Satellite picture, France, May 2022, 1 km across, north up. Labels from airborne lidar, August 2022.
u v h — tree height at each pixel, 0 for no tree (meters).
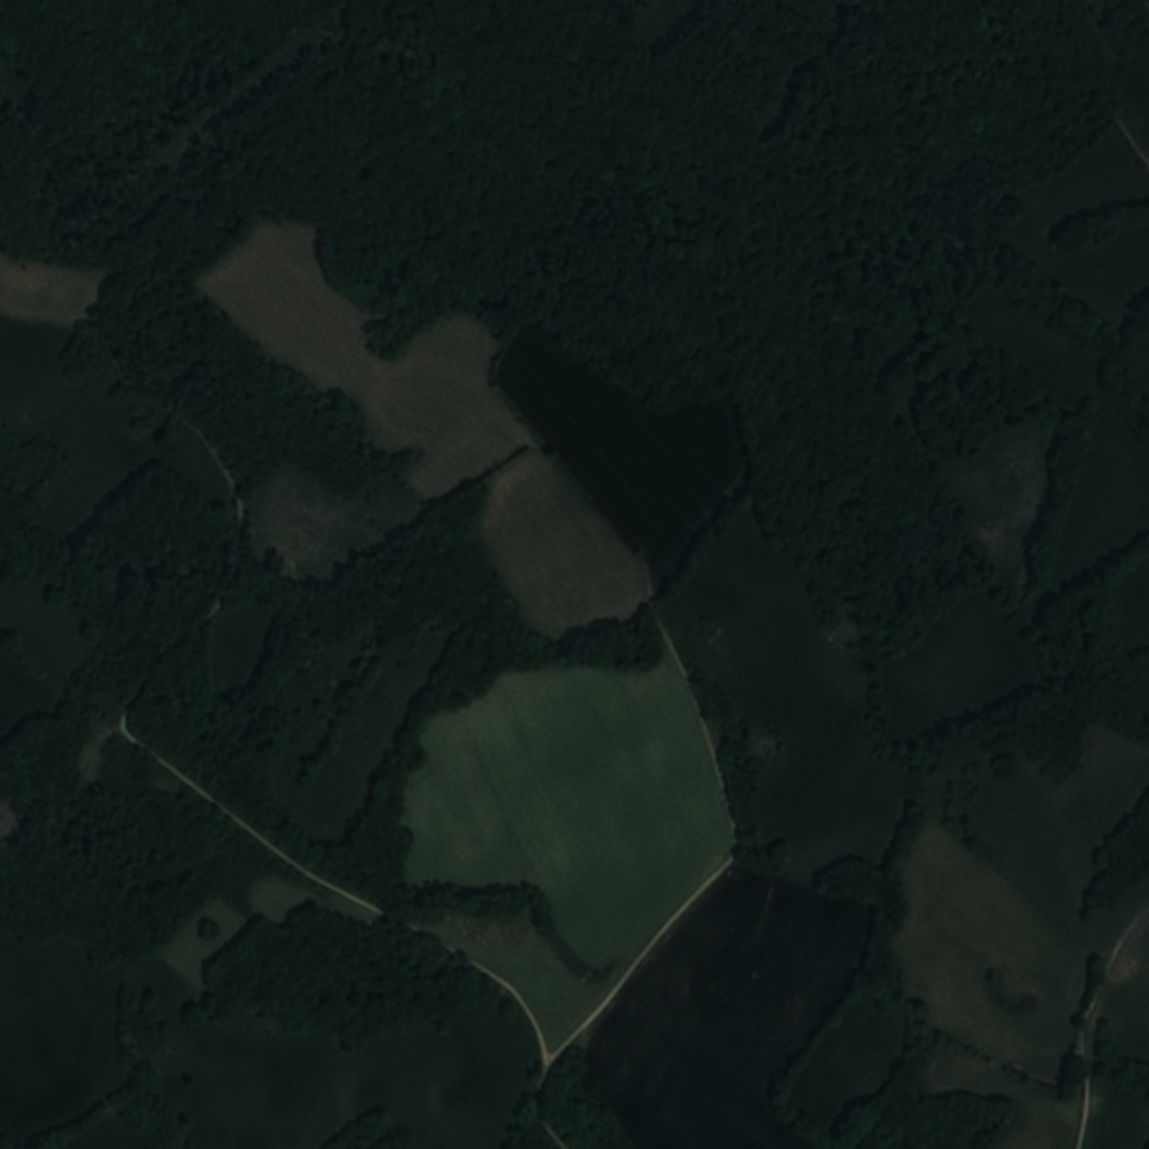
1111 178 0
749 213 23
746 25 20
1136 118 0
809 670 0
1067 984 0
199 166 16
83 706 9
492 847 0
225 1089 0
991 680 0
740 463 0
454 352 0
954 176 18
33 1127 0
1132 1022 0
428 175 21
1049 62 23
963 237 19
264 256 0
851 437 23
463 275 24
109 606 20
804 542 26
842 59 18
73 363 11
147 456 0
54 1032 0
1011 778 12
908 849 14
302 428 14
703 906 0
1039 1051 0
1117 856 14
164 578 21
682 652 6
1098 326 17
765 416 25
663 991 0
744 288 24
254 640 0
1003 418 6
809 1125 22
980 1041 0
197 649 18
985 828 0
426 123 26
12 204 20
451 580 14
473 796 0
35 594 0
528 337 0
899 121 21
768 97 21
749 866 14
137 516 21
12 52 18
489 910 20
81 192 7
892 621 23
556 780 0
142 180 22
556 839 0
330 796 0
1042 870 0
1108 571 24
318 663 8
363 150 19
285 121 19
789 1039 0
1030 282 21
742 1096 0
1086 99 17
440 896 18
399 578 20
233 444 13
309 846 17
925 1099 10
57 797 10
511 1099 0
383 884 21
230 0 18
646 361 26
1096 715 10
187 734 17
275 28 17
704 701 14
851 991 19
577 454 0
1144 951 0
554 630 0
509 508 0
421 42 23
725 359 23
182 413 12
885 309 22
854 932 0
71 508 0
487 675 13
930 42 16
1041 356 0
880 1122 18
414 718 16
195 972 0
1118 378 13
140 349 18
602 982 0
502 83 20
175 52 25
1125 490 0
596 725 0
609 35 23
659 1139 0
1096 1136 0
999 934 0
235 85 18
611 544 0
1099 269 0
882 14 20
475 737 0
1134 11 14
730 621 0
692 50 21
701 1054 0
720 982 0
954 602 18
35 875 16
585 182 25
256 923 12
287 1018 18
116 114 20
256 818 14
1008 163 21
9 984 0
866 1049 0
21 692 0
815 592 15
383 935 15
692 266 23
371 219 25
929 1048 13
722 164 25
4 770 14
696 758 0
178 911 17
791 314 17
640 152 25
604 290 23
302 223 20
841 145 18
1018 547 0
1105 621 15
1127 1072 21
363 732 0
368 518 0
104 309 13
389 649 9
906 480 24
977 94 20
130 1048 9
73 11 17
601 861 0
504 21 21
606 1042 0
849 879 18
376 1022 19
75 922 14
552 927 14
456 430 0
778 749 6
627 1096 0
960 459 17
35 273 0
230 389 13
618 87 23
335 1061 0
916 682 0
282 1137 0
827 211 24
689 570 15
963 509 21
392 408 0
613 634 18
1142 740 7
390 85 23
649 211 23
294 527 0
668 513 0
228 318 14
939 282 19
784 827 0
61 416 0
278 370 21
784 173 18
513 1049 0
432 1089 0
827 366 24
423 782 0
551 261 22
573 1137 17
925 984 0
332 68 10
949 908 0
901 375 21
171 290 8
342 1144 11
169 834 11
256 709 18
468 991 18
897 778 0
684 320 31
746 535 0
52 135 23
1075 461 14
